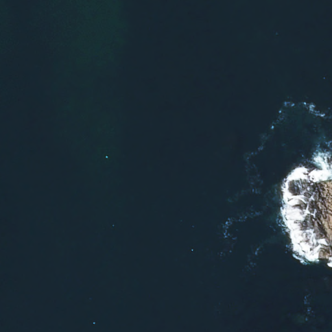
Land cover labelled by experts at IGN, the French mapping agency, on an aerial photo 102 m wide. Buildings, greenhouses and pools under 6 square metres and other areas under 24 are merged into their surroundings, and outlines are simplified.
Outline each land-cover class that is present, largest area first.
<instances>
[{"label":"water","instance_id":"1","mask_svg":"<svg viewBox=\"0 0 332 332\"><path fill-rule=\"evenodd\" d=\"M329 153L327 162L332 163V0H0V332H332V267L328 266V259L319 258L318 261L301 263L293 257L292 240L281 215L284 201L281 187L285 178L297 167H306L311 171L322 170L314 161L318 153Z\"/></svg>","mask_w":332,"mask_h":332},{"label":"bare soil","instance_id":"2","mask_svg":"<svg viewBox=\"0 0 332 332\"><path fill-rule=\"evenodd\" d=\"M329 153H318L314 161L322 170L311 171L306 167H297L285 178L281 187L284 201L281 215L292 240L293 257L301 263L318 261L319 258L328 259V266L332 267V163L327 162Z\"/></svg>","mask_w":332,"mask_h":332}]
</instances>
